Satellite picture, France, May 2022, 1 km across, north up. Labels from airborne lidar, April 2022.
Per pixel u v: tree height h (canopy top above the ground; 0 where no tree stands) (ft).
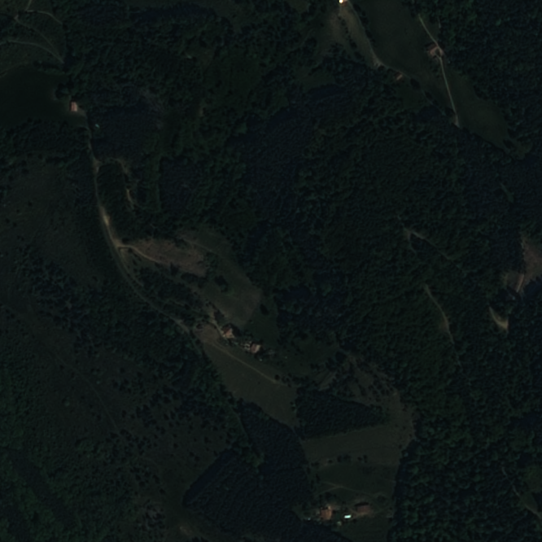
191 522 0
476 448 68
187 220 49
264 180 103
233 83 23
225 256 0
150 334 47
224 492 87
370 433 0
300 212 77
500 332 31
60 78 0
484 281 68
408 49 0
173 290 42
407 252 57
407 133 66
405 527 97
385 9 0
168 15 79
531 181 92
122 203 27
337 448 0
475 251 75
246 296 0
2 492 84
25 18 24
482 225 103
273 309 0
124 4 88
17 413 37
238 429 24
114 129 94
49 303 49
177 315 28
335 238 44
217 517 89
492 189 76
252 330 0
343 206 43
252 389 0
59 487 67
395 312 46
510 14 90
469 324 74
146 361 45
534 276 0
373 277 49
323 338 40
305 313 109
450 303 74
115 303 31
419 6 52
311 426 53
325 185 58
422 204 31
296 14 64
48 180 0
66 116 0
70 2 54
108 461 23
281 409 0
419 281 42
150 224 38
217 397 26
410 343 59
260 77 22
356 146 69
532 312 61
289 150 100
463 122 0
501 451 64
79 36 47
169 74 28
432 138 93
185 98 34
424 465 73
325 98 85
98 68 56
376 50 0
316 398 70
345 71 95
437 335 51
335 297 105
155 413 0
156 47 27
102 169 25
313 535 79
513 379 63
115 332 49
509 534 87
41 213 0
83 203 57
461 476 57
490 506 98
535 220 88
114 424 0
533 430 111
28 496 71
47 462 22
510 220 58
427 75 0
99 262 20
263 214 105
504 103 78
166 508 0
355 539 0
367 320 53
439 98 0
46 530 84
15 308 0
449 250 73
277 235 100
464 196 58
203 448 0
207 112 70
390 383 35
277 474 105
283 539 94
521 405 68
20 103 0
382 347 55
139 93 81
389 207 70
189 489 0
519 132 92
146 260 0
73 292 66
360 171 38
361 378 0
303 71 0
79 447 38
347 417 70
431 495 81
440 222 42
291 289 0
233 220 22
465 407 71
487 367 74
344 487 0
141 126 112
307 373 0
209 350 0
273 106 27
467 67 38
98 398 0
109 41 25
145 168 110
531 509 0
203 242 0
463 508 119
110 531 49
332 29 0
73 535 62
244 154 104
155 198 90
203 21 86
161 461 0
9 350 24
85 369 0
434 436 74
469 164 86
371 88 85
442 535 83
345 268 40
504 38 110
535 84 96
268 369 0
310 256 108
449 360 62
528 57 104
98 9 80
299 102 89
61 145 37
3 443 63
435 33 0
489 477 88
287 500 100
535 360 39
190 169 96
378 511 0
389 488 0
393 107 71
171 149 21
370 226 66
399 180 41
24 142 27
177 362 71
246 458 64
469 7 54
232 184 75
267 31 33
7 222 32
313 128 78
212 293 0
